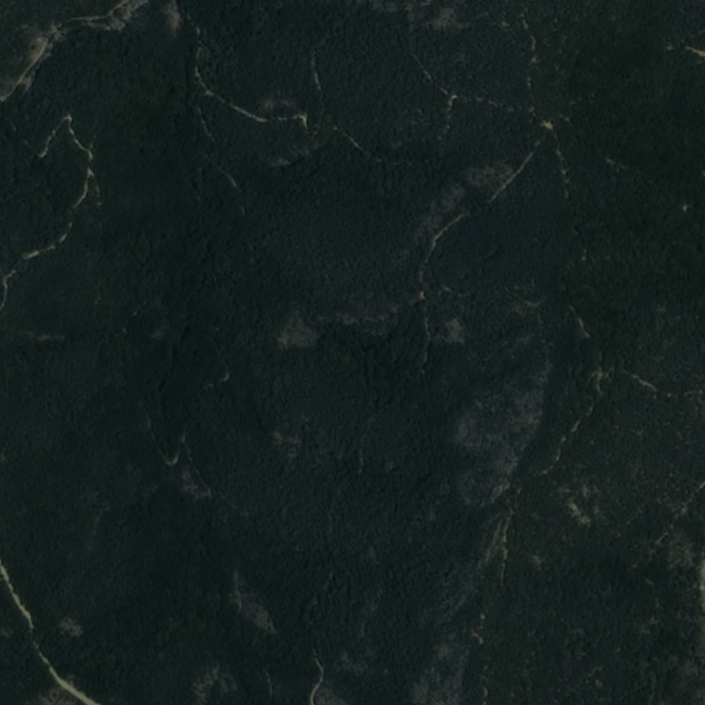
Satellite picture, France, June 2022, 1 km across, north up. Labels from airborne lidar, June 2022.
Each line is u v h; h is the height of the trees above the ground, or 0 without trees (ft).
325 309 18
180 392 55
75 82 28
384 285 22
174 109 59
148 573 31
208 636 37
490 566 20
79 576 39
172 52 24
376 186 41
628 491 19
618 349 34
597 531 53
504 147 31
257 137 41
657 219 47
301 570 30
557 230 28
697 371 23
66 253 34
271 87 26
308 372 47
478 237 44
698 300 41
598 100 46
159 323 36
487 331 25
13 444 40
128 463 32
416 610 26
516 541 39
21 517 29
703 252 66
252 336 35
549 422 24
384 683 35
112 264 31
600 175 34
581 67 67
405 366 53
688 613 36
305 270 24
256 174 25
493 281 35
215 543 23
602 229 32
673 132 51
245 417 30
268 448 28
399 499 46
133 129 48
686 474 29
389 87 30
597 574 37
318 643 37
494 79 38
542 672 26
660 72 42
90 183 22
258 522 37
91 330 28
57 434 42
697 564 21
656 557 30
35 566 28
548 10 32
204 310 45
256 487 26
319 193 37
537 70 25
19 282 34
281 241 32
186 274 44
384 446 36
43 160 28
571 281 37
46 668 32
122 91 34
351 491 36
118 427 24
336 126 28
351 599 47
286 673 28
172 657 24
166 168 28
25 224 36
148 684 47
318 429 35
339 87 30
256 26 50
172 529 34
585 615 42
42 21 27
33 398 36
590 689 31
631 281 34
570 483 28
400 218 34
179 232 58
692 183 38
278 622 18
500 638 34
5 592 17
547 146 27
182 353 61
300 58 40
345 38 36
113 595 39
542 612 39
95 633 29
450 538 31
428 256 31
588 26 38
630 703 43
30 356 54
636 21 44
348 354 62
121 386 40
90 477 20
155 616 31
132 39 23
